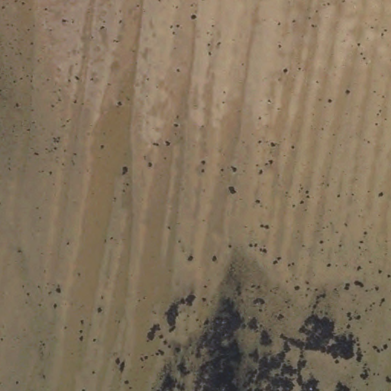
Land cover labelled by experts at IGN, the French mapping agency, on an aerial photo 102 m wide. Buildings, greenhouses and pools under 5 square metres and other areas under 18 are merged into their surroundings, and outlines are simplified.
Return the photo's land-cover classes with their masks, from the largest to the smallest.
<instances>
[{"label":"bare soil","instance_id":"1","mask_svg":"<svg viewBox=\"0 0 391 391\"><path fill-rule=\"evenodd\" d=\"M350 281H362L367 287L379 286V289L382 286L391 287V0H0V391H238L232 379L240 370L243 354L241 351L252 353L257 350L263 356L266 353L278 354L283 348L281 334H287L292 338L290 344L293 347L322 351L333 357L350 359L353 356L354 345L351 321H359L360 315L357 312L350 313L339 305V295L350 289Z\"/></svg>","mask_w":391,"mask_h":391},{"label":"water","instance_id":"2","mask_svg":"<svg viewBox=\"0 0 391 391\"><path fill-rule=\"evenodd\" d=\"M339 305L350 313L357 312L360 315L359 321H351L354 345L353 356L350 359L333 357L322 351L293 347L290 344L292 338L287 334H281L283 348L278 354L266 353L263 356L257 350L252 353L241 351L243 354L240 370L232 379L238 391H391V287L382 286L379 289V286L367 287L362 281H350V289L339 295Z\"/></svg>","mask_w":391,"mask_h":391}]
</instances>
